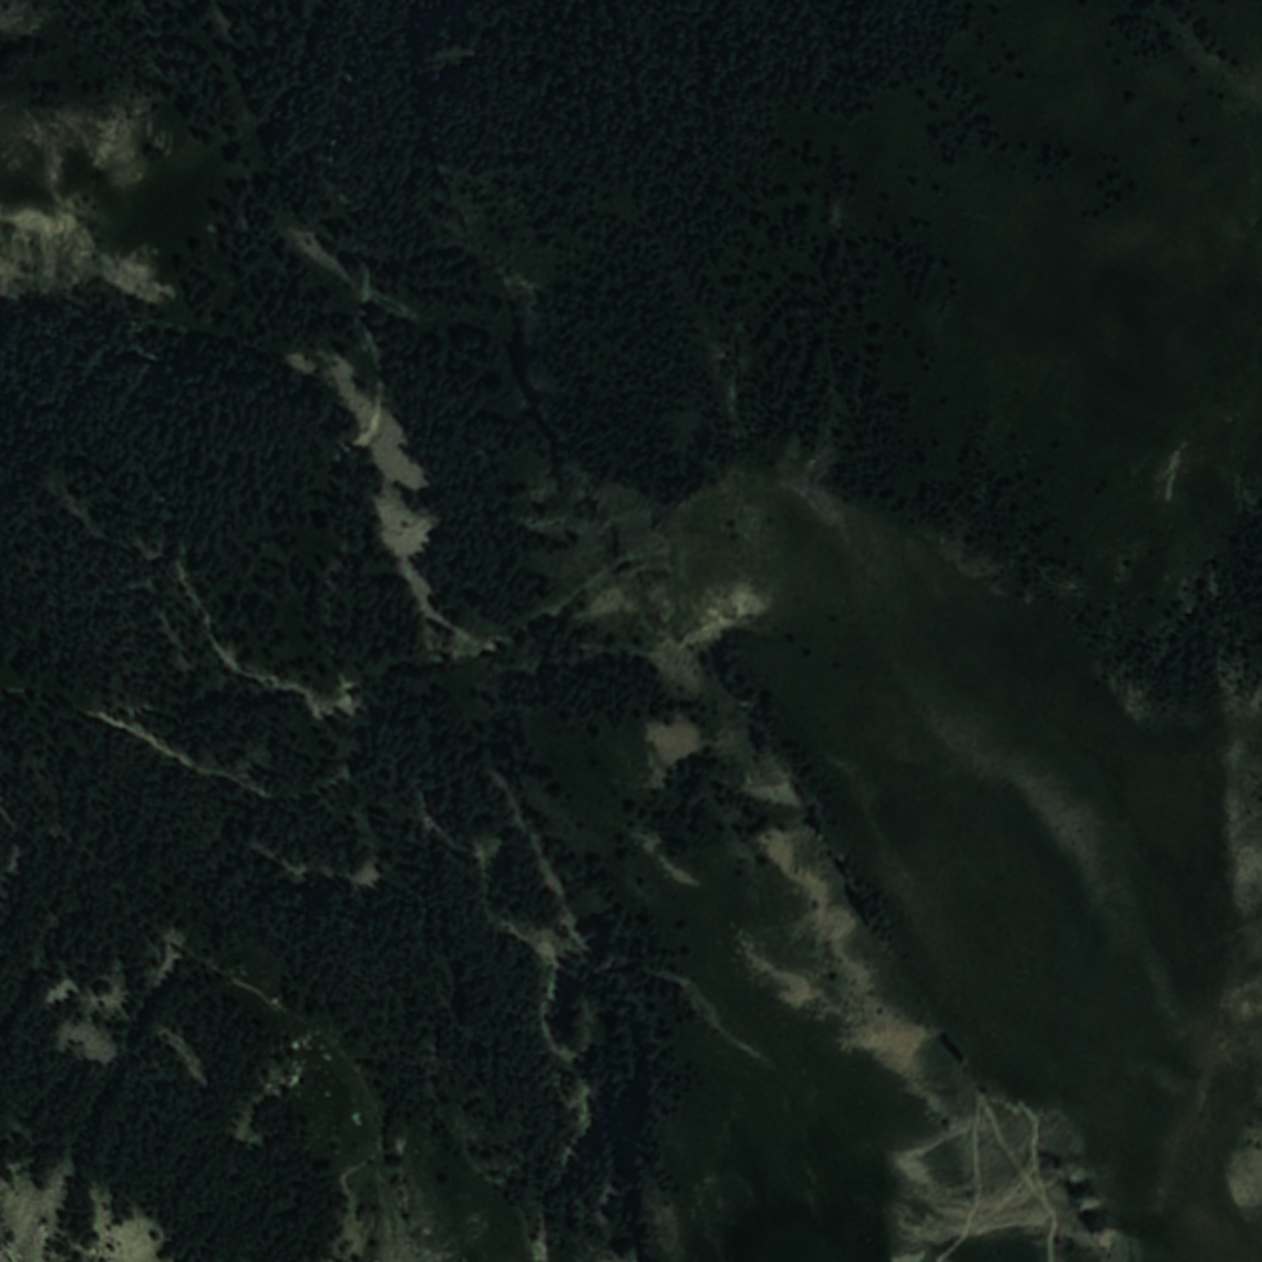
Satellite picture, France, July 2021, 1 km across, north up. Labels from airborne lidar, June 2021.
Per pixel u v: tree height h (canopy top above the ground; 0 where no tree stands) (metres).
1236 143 0
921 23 18
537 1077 16
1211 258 0
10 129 0
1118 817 0
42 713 0
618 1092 13
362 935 15
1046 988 0
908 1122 0
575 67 30
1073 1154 0
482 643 0
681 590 0
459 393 20
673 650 0
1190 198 0
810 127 0
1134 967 0
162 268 0
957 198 0
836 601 0
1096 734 0
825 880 0
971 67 0
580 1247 0
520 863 25
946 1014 0
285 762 22
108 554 19
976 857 0
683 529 0
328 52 22
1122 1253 0
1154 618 0
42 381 21
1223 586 8
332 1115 0
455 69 7
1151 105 0
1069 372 0
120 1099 21
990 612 0
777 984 0
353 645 20
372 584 22
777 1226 0
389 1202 0
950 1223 0
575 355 12
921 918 0
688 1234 0
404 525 0
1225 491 0
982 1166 0
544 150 12
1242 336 0
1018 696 0
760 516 0
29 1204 0
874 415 14
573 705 18
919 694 0
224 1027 12
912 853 0
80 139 0
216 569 21
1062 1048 0
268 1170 14
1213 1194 0
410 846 9
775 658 0
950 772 0
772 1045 0
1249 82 0
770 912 0
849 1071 0
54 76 0
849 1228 0
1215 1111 0
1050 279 0
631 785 0
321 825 23
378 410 0
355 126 26
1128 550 0
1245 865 0
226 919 16
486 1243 0
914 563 0
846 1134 0
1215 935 0
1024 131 0
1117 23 6
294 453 24
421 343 17
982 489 6
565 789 13
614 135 18
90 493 16
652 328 11
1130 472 0
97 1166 20
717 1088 0
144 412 28
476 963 23
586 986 10
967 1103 0
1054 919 0
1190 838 0
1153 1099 0
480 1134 0
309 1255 14
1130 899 0
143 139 0
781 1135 0
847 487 7
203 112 25
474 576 22
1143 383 0
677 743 0
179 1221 10
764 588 0
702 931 0
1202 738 0
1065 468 0
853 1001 0
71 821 20
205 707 14
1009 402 0
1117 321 0
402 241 23
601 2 32
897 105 0
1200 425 0
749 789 0
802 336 17
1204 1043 0
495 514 18
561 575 0
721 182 13
